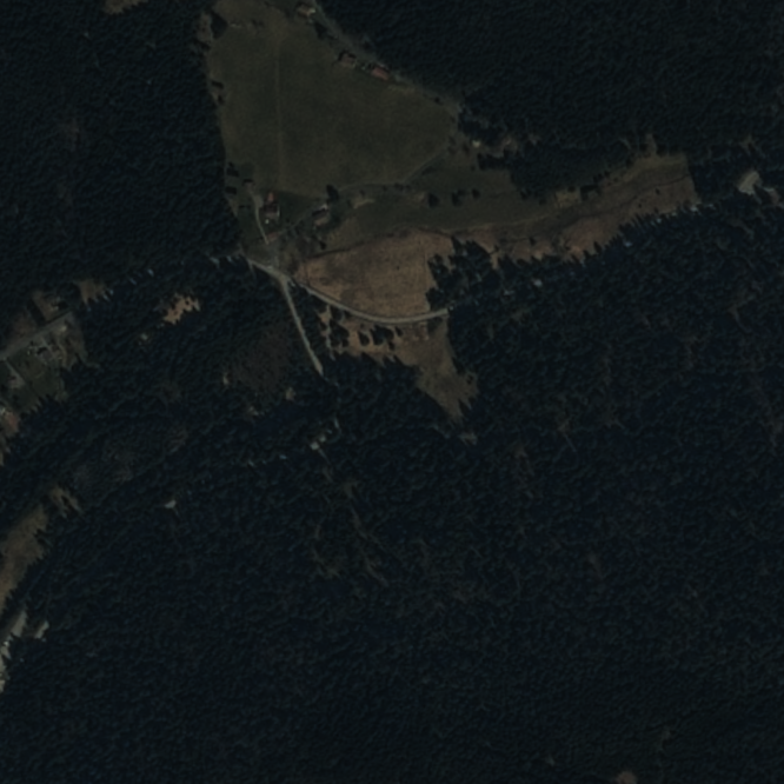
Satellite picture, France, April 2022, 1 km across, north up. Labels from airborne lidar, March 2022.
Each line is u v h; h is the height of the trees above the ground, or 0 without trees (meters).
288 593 18
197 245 30
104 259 31
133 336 26
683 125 33
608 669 23
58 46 21
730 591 21
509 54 30
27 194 30
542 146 17
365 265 0
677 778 11
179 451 11
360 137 0
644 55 19
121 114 18
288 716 21
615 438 22
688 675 19
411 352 0
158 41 8
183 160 28
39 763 28
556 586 21
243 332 24
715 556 29
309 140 0
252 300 11
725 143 13
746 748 23
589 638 16
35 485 12
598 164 22
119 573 27
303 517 43
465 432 20
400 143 0
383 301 0
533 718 23
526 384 30
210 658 27
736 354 34
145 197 31
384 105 0
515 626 7
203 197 29
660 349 33
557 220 0
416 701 17
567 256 0
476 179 0
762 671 19
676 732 10
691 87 25
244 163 0
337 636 37
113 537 25
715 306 22
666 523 26
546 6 29
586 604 25
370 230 0
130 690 34
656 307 25
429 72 27
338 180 0
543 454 30
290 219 0
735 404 29
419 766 22
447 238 0
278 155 0
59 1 19
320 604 37
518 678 18
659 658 25
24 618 0
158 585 28
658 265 28
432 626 11
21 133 24
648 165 0
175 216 29
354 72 0
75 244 32
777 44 26
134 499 33
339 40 9
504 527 21
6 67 28
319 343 21
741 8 15
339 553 9
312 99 0
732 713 13
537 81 7
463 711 21
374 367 20
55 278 30
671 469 24
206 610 25
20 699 23
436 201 16
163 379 36
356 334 0
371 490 14
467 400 0
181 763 23
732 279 34
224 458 34
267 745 28
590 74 26
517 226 0
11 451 0
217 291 11
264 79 0
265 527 34
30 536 0
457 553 11
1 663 0
